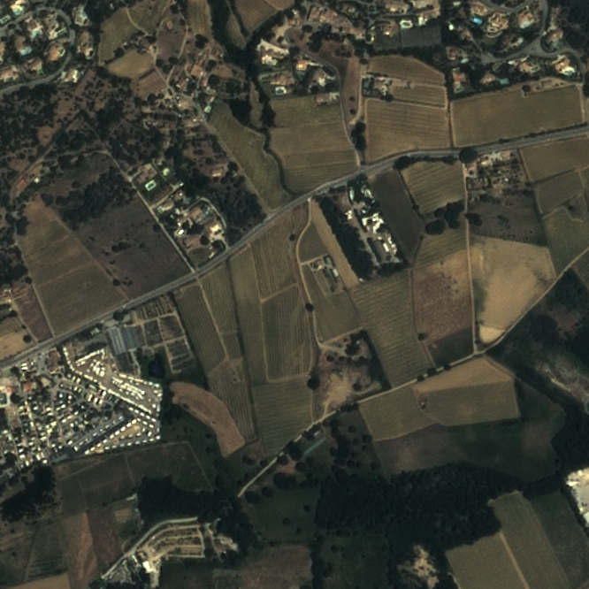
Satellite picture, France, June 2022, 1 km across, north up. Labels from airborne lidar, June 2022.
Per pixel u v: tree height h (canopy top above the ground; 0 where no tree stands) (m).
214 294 0
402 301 0
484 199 10
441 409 0
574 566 0
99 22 9
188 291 0
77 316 0
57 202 8
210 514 21
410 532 18
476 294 0
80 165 9
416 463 0
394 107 0
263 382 0
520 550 0
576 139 0
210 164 9
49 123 6
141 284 0
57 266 0
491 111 0
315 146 0
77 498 0
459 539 21
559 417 0
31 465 8
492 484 15
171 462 0
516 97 0
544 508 0
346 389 0
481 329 0
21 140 6
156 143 10
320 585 19
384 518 13
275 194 0
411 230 0
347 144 0
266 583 0
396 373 0
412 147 0
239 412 0
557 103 0
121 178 12
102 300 0
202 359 0
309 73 7
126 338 0
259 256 0
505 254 0
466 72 8
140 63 0
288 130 0
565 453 13
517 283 0
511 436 0
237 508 17
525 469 0
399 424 0
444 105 0
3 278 8
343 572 0
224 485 13
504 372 0
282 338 0
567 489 9
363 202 8
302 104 0
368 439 15
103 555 0
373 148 0
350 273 0
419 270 0
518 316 0
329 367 0
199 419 0
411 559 21
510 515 0
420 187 0
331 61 0
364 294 0
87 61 7
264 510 0
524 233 0
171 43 0
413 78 0
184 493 13
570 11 8
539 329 12
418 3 0
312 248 0
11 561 0
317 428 8
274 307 0
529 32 6
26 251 0
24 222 11
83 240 0
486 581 0
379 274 9
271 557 0
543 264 0
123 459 0
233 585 0
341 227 12
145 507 12
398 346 0
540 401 0
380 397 0
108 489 0
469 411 0
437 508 16
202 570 0
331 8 8
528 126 0
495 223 0
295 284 0
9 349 0
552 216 0
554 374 0
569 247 0
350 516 14
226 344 0
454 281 0
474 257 0
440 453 0
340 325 0
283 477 17
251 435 0
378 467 10
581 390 0
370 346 8
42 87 12
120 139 11
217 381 0
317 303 0
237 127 0
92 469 0
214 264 0
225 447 0
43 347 0
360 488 12
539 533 0
